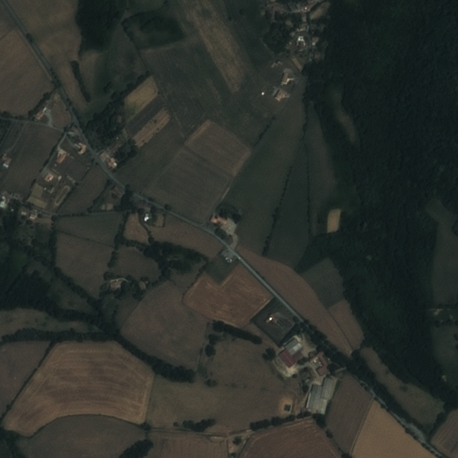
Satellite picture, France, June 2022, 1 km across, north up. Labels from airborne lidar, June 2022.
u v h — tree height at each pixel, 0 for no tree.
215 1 0
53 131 0
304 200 0
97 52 0
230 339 0
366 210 17
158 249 15
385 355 16
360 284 12
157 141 0
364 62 14
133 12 0
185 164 0
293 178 0
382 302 5
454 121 20
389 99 19
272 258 0
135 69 0
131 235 0
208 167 0
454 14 14
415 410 0
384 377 0
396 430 0
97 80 0
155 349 0
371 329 13
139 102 0
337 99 0
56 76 9
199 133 0
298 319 9
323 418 14
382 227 16
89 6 6
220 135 0
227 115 0
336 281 0
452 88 22
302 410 0
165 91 0
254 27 0
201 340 0
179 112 0
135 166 0
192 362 0
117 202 0
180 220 0
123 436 0
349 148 15
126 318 0
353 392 0
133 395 0
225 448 0
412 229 10
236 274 0
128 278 11
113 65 0
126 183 0
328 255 7
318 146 0
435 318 0
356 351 10
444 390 18
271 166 0
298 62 0
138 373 0
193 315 0
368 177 16
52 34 0
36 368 6
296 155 0
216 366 0
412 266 8
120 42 0
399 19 11
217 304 0
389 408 9
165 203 0
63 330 0
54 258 7
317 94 15
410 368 15
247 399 0
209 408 0
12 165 0
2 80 0
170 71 0
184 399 0
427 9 15
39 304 25
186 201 0
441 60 24
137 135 0
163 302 0
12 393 0
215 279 0
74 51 0
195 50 0
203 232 0
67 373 0
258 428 13
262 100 0
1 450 0
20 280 17
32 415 0
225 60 0
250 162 0
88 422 0
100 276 0
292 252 0
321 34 14
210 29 0
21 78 0
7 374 0
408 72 22
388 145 23
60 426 0
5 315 0
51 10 0
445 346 0
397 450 0
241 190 0
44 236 0
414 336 17
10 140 0
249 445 0
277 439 0
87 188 0
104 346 0
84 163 0
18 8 0
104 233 0
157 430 0
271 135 0
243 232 0
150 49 0
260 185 0
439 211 0
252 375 0
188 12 0
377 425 0
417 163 23
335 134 9
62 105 0
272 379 0
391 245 22
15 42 0
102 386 0
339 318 0
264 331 6
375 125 17
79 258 0
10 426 0
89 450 0
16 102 0
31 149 0
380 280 9
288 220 0
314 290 0
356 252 9
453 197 20
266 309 6
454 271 0
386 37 15
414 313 20
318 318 0
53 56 0
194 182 0
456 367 0
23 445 0
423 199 8
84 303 0
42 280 11
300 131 0
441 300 0
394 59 15
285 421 6
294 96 0
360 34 11
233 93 0
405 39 13
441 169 14
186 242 0
